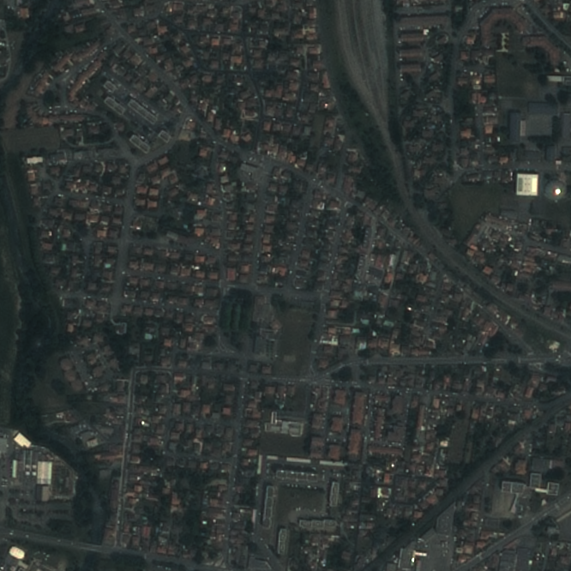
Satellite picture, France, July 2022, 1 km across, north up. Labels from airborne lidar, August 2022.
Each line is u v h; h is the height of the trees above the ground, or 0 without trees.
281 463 0
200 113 7
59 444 17
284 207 7
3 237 0
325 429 0
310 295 0
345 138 0
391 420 10
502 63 0
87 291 6
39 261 14
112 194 5
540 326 0
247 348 0
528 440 0
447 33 0
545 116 0
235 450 0
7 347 0
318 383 0
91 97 11
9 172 0
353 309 15
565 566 0
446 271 8
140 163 0
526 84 0
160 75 0
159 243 0
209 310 0
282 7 0
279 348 0
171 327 6
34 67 10
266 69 6
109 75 0
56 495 0
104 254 7
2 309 0
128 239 0
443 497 6
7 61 0
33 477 0
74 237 7
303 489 6
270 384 7
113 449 0
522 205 0
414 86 11
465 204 0
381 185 6
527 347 0
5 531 0
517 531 0
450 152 7
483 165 0
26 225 0
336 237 0
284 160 0
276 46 9
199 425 0
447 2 0
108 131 13
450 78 9
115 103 0
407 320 9
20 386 18
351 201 0
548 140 12
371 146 10
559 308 8
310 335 10
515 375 7
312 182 0
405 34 0
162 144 0
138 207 12
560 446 7
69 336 8
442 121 6
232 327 13
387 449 0
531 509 0
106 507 11
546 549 0
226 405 6
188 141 0
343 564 13
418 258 6
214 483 0
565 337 0
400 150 7
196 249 0
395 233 0
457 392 8
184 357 8
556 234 10
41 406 0
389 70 0
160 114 0
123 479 0
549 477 12
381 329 7
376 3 0
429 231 0
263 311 0
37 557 0
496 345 14
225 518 0
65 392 16
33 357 18
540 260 7
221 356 0
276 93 0
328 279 0
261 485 0
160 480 14
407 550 0
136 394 7
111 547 0
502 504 0
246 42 0
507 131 12
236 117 6
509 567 0
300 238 0
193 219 6
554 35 12
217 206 0
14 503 6
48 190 7
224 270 0
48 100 15
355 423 7
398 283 6
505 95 0
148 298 8
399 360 0
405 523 12
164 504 10
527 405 0
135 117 0
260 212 0
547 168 0
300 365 0
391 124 9
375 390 0
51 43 0
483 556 0
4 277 0
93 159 0
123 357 15
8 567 0
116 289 0
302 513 0
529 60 0
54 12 7
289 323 0
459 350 7
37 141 0
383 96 0
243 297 11
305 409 0
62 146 6
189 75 6
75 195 0
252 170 0
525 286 7
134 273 0
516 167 0
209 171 5
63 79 0
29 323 11
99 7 0
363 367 13
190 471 8
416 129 6
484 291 8
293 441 0
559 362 0
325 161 6
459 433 0
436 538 0
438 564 0
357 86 0
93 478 7
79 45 7
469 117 0
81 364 0
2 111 19
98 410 0
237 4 0
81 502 15
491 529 0
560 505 0
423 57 0
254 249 0
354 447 0
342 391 0
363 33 0
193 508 10
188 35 0
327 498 0
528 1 0
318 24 0
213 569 0
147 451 10
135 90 0
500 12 0
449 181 0
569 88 11
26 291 17
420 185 11
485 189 0
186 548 7
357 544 0
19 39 0
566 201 0
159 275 0
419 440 0
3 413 0
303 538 7
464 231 0
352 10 0
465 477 6
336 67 0
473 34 7
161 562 8
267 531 0
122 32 0
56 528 9
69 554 0
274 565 0
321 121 0
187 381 0
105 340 6
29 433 11
